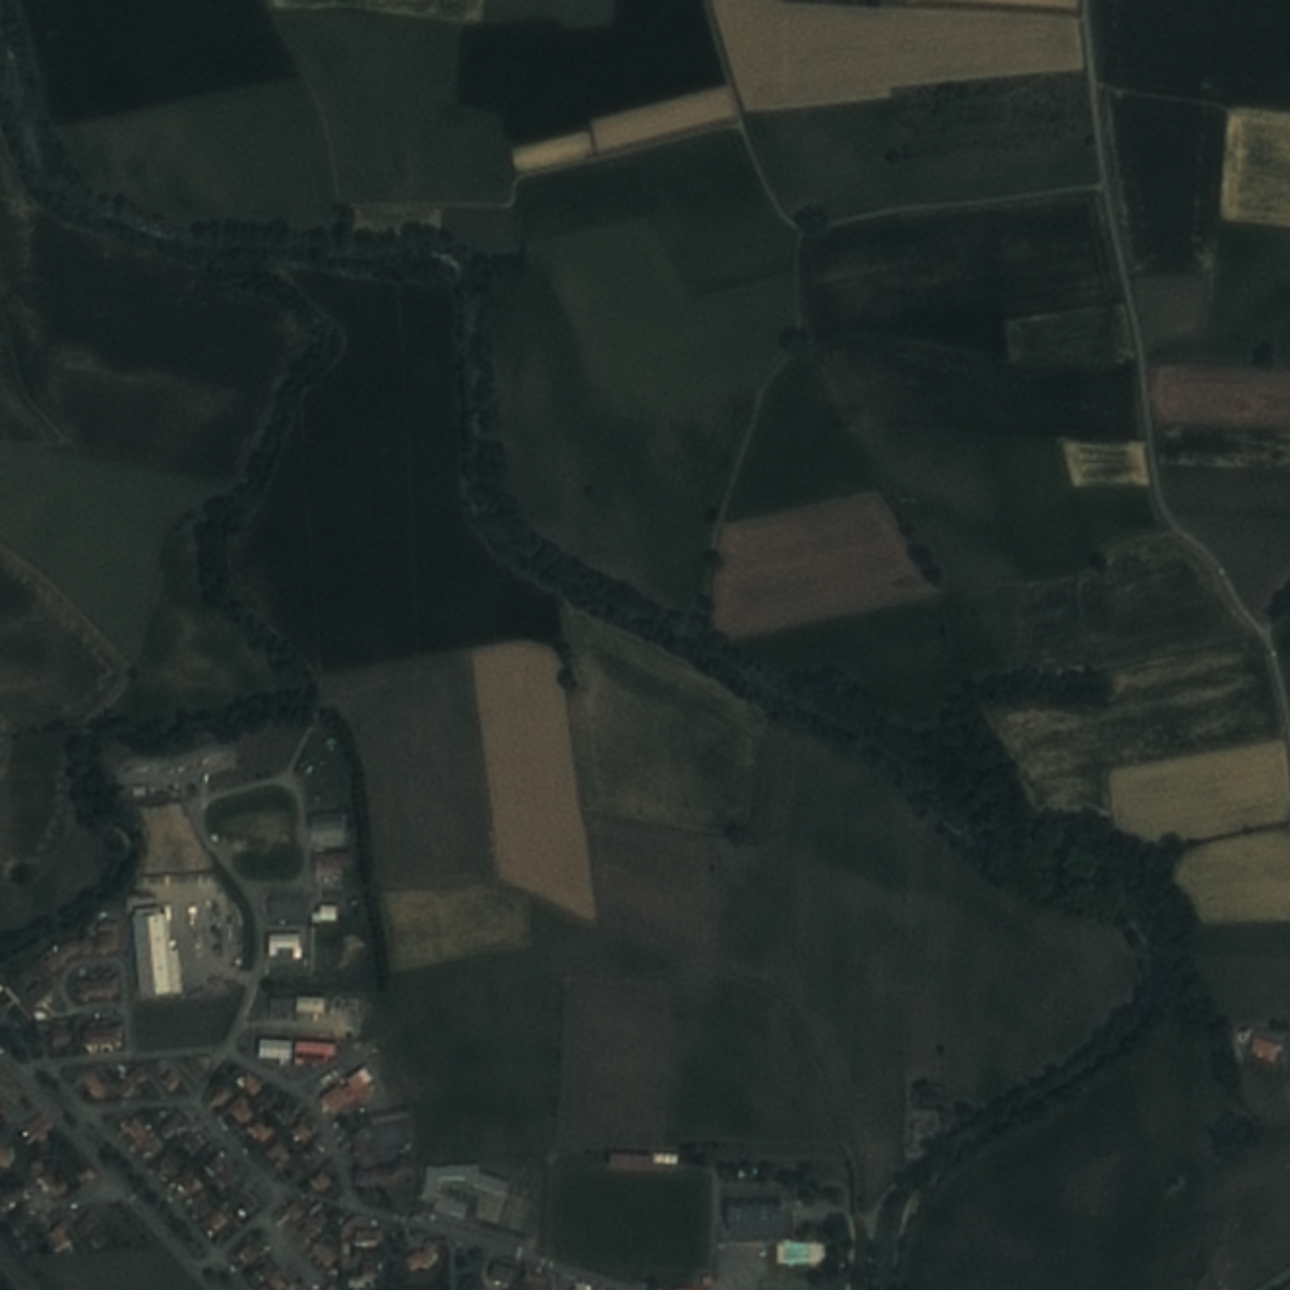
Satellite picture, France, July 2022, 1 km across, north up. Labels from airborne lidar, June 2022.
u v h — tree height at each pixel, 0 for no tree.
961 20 0
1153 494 0
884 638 0
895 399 0
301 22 0
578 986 0
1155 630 0
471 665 0
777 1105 0
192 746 9
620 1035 0
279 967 0
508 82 0
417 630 0
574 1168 0
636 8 0
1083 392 0
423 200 0
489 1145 0
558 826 0
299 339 0
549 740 0
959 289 0
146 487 0
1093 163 0
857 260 0
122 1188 0
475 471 16
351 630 0
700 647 13
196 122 0
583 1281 0
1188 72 0
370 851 7
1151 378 0
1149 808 0
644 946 0
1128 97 0
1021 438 0
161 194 0
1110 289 0
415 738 0
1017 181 0
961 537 0
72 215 8
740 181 0
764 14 0
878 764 17
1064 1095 15
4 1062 0
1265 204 0
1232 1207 0
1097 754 0
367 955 0
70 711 0
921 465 0
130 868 13
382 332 0
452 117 0
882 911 0
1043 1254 0
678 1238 0
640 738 0
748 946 0
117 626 0
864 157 0
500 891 0
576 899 0
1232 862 0
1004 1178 0
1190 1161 0
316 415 0
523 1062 0
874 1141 0
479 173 0
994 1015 0
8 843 0
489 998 0
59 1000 0
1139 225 0
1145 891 23
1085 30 0
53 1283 0
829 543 0
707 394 0
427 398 0
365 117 0
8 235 0
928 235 0
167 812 0
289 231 16
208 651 0
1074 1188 0
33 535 0
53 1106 0
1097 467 0
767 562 0
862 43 0
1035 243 0
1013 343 0
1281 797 0
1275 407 0
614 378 0
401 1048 0
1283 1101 0
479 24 0
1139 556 0
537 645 0
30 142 0
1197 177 0
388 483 0
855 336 0
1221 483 0
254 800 0
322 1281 0
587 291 0
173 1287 0
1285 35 0
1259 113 0
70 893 0
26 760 0
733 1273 0
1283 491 0
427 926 0
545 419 0
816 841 0
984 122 0
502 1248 0
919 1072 0
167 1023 0
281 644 8
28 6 0
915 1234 0
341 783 0
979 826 22
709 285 0
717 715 0
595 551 0
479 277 20
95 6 0
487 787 0
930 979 0
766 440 0
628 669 0
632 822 0
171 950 0
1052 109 0
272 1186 0
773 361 0
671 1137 0
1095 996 0
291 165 0
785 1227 0
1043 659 0
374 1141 0
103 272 0
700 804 0
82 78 0
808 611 0
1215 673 0
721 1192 0
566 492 0
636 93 0
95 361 0
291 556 0
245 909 0
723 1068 0
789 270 0
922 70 0
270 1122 6
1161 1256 0
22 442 0
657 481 0
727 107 0
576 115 0
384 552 0
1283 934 0
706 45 0
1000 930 0
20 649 0
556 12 0
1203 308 0
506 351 0
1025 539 0
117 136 0
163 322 0
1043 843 31
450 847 0
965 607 0
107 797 10
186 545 0
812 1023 0
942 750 18
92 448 0
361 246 15
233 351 0
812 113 0
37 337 0
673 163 0
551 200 0
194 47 0
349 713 0
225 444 0
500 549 13
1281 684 0
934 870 0
